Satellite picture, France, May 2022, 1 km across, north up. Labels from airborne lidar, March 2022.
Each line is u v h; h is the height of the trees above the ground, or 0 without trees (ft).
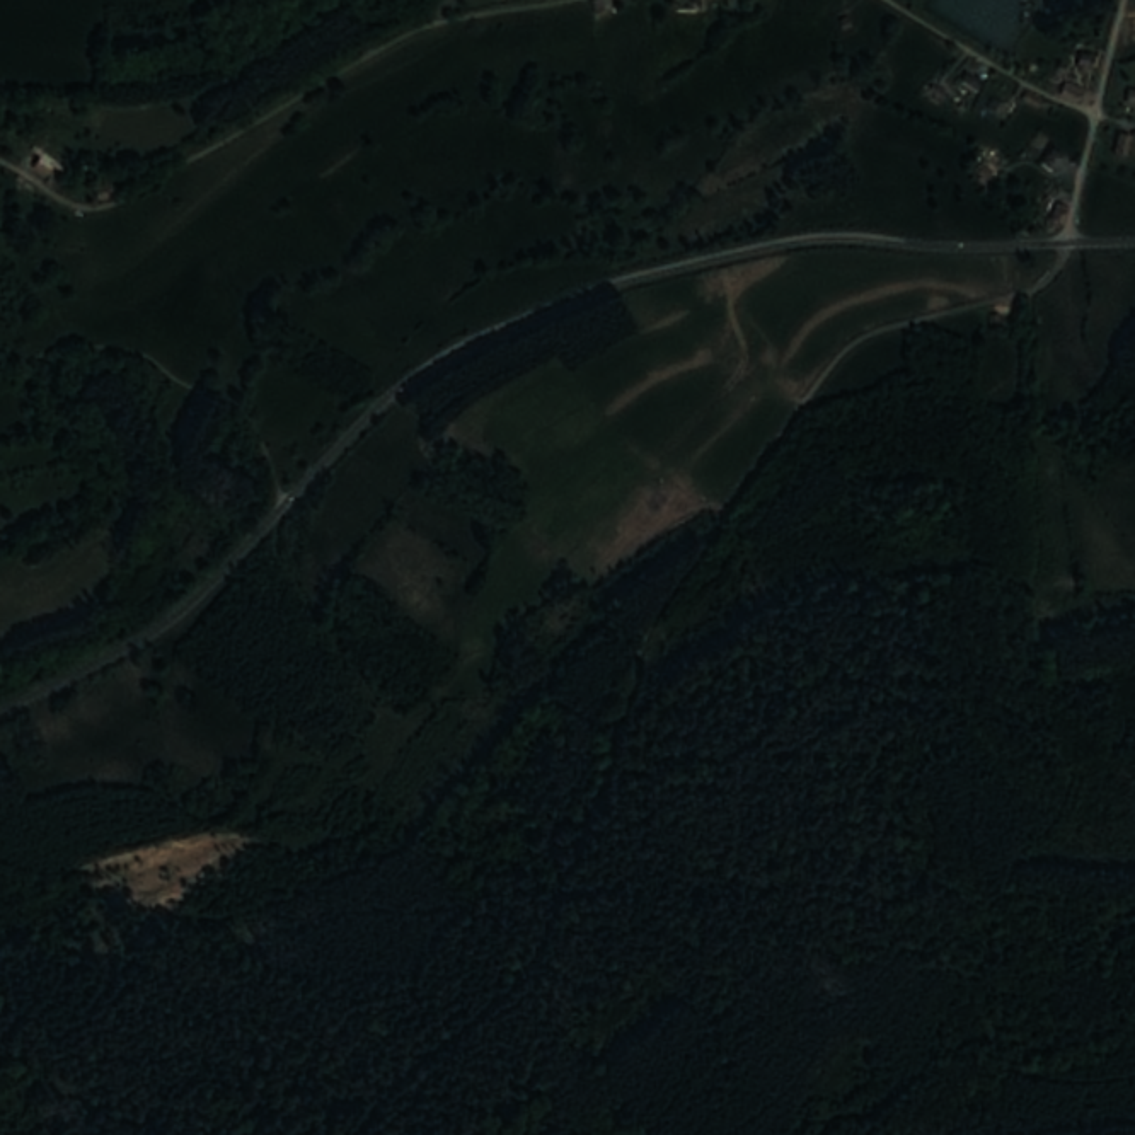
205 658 38
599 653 66
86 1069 117
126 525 96
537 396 0
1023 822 63
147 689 41
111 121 0
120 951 28
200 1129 37
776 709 73
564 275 0
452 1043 98
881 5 0
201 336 0
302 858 31
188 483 114
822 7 0
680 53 0
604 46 0
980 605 73
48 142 0
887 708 95
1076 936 42
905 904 83
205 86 54
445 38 0
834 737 98
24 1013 112
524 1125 25
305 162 0
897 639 102
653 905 88
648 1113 89
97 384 102
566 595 98
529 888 87
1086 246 0
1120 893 80
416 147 0
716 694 109
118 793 33
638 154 0
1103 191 0
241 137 0
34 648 71
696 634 20
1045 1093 50
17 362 68
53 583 0
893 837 84
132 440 94
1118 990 67
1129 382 32
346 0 62
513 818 22
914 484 94
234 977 103
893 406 48
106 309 0
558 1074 91
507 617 0
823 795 77
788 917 93
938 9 0
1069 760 29
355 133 0
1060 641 103
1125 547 0
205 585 0
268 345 64
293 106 0
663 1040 92
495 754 82
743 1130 62
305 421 0
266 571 29
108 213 0
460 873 91
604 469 0
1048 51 0
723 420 0
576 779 106
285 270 0
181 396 0
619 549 0
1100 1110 42
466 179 0
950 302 0
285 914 52
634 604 86
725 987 100
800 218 0
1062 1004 67
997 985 46
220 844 0
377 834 41
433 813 95
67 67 0
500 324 0
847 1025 85
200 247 0
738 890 84
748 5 53
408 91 0
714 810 88
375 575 0
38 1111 107
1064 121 0
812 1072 74
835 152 67
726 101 0
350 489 0
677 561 82
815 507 52
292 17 80
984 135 0
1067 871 77
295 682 41
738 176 0
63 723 0
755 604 19
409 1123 76
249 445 68
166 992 104
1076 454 63
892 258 0
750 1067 87
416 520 0
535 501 0
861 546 21
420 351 0
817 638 102
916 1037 50
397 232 65
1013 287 0
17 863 39
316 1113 93
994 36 0
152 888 0
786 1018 81
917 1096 89
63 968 56
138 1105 115
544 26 0
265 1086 96
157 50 94
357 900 81
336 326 0
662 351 0
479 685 0
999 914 74
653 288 0
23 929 23
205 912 35
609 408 0
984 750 80
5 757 0
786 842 88
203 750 0
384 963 69
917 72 0
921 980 54
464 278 0
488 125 0
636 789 62
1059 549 0
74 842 29
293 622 36
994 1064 73
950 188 0
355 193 0
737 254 0
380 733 0
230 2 104
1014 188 43
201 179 0
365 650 34
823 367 0
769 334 0
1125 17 0
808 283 0
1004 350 0
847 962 82
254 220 0
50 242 31
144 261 0
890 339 0
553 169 0
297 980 92
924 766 77
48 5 0
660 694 79
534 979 105
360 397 40
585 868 99
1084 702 59
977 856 79
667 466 0
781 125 0
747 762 89
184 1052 95
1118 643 100
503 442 0
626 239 72
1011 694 75
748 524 48
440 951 92
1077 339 0
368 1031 99
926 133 0
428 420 54
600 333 83
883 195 0
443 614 0
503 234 0
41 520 47
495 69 0
